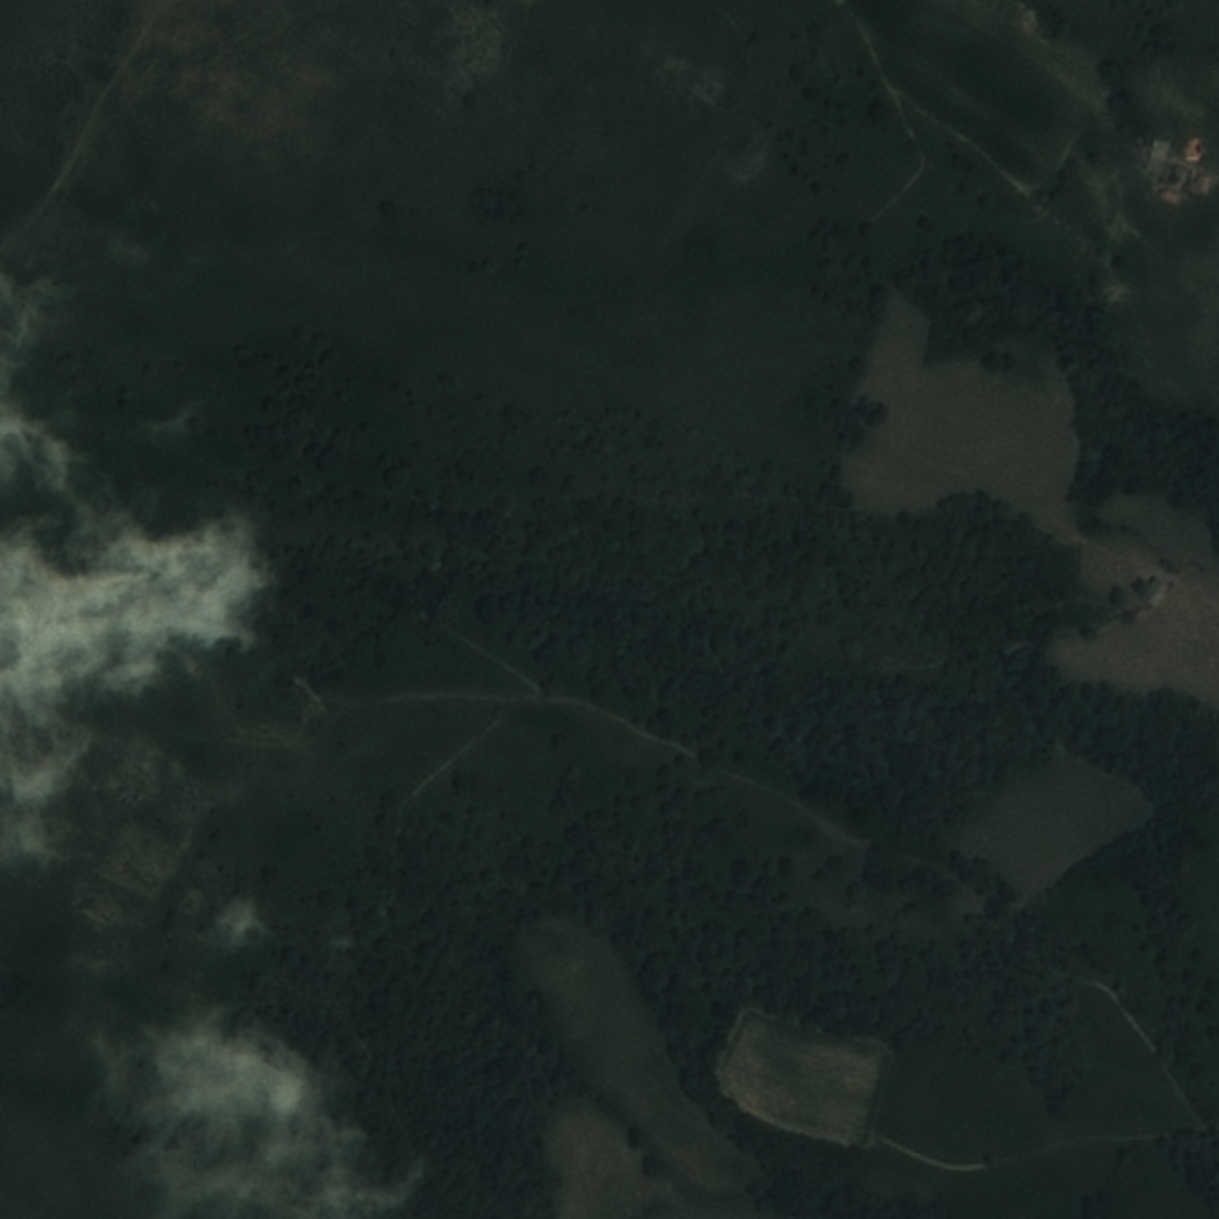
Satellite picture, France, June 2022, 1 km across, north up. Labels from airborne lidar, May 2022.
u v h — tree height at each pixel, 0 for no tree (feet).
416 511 31
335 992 40
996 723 54
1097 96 0
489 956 61
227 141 0
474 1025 28
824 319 0
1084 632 30
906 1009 46
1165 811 67
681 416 0
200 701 0
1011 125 0
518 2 0
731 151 0
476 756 0
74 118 0
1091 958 41
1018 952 53
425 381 0
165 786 0
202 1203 0
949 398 0
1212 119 0
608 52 0
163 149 0
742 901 47
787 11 0
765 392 0
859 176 0
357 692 0
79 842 0
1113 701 39
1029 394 0
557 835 0
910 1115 0
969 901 0
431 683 0
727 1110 41
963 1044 23
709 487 39
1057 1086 45
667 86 0
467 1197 62
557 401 0
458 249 0
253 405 0
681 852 48
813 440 0
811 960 50
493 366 0
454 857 54
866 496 0
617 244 0
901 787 61
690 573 34
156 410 0
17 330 0
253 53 0
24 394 0
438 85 0
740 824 32
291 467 0
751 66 0
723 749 37
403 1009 29
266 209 0
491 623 41
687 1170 0
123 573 0
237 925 0
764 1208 39
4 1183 0
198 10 0
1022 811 0
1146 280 0
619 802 33
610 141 0
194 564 0
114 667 0
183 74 0
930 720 72
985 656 34
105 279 0
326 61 0
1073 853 0
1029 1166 0
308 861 0
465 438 0
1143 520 0
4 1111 0
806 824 0
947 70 0
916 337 0
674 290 0
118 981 0
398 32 0
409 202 0
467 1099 35
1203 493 43
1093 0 0
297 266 0
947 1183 0
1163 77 0
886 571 29
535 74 0
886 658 0
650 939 56
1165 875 59
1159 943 39
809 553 29
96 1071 0
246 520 0
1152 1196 0
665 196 0
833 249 42
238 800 0
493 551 55
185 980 0
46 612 0
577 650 46
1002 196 0
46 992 0
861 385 0
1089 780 0
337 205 0
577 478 29
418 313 0
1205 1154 71
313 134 0
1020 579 26
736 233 0
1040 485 0
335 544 42
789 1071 0
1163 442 63
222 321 0
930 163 0
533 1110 66
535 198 0
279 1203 0
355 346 0
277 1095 39
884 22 0
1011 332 53
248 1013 33
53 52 0
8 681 0
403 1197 41
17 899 0
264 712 0
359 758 0
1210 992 38
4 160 0
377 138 0
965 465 0
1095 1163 0
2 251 0
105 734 0
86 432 0
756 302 0
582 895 52
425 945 45
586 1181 0
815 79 0
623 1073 0
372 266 0
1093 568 0
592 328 0
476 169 0
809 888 0
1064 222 0
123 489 0
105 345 0
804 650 0
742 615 25
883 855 42
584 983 0
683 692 41
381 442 0
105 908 0
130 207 0
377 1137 31
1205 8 0
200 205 0
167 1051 0
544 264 0
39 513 0
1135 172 0
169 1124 50
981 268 70
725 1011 58
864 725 68
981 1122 0
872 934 35
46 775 0
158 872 0
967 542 24
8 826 0
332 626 29
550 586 29
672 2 0
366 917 25
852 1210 39
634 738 0
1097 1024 0
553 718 0
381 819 38
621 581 28
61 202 0
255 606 23
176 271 0
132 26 0
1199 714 44
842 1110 0
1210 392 0
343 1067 19
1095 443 45
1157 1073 0
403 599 49
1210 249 0
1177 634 0
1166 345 0
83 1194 0
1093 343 26
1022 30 0
